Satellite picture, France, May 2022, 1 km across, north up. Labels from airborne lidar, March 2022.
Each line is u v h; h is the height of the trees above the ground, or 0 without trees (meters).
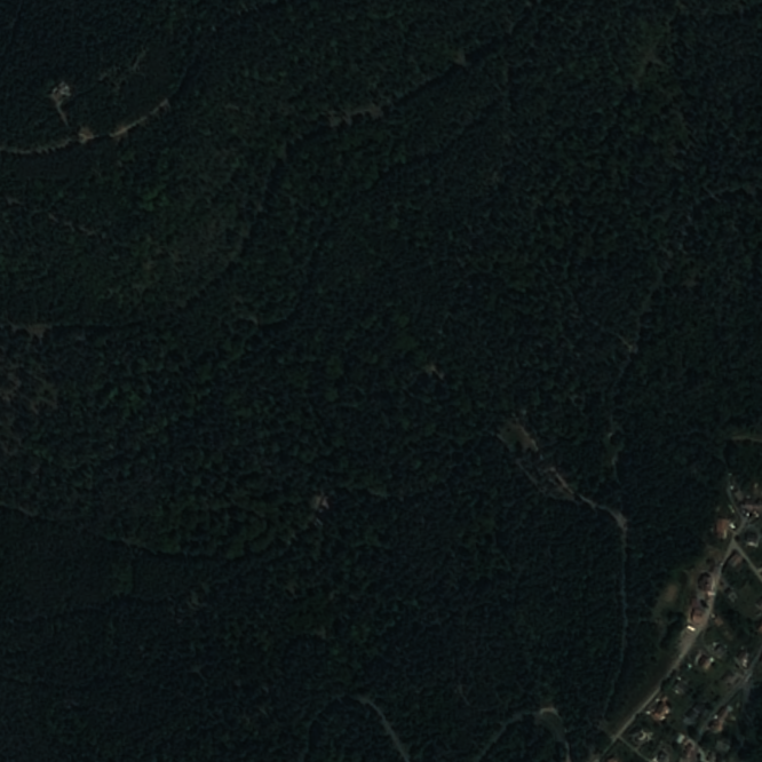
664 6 20
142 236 13
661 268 22
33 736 22
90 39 16
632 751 0
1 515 19
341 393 38
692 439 16
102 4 13
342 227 22
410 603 28
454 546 20
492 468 28
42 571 22
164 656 10
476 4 27
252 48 22
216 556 25
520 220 28
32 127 8
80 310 17
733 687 0
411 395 31
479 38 27
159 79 11
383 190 23
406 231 21
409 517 24
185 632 21
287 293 18
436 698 13
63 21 10
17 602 19
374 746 13
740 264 27
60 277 19
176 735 24
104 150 17
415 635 29
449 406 28
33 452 11
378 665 10
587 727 14
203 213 12
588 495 20
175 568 31
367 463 32
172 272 16
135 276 19
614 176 21
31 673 26
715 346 11
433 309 23
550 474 28
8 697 20
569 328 32
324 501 0
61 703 21
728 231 7
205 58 18
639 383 9
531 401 25
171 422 32
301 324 29
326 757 23
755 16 24
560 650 21
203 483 35
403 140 18
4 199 13
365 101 15
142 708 24
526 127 30
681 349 10
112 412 29
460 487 32
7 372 9
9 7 20
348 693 20
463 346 23
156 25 10
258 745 27
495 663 19
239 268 14
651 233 19
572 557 14
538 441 24
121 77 9
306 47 13
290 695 30
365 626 14
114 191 10
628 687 13
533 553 16
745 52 24
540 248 23
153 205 21
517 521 29
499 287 32
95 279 7
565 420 15
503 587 29
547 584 11
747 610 0
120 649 27
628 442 25
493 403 25
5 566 22
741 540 8
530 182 26
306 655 24
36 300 9
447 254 32
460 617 28
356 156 18
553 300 24
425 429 34
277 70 15
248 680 17
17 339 23
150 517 11
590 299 33
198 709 28
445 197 20
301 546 22
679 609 0
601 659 17
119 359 32
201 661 29
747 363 10
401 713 9
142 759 19
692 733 15
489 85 20
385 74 17
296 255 14
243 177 19
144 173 18
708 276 8
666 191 20
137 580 23
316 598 12
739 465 20
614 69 24
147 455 28
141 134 11
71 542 26
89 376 30
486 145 27
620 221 28
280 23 23
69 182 12
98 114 13
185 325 20
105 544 26
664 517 21
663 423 10
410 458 29
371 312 30
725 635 0
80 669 28
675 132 12
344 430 33
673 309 12
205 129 20
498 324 29
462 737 9
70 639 26
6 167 13
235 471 35
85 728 25
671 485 19
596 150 21
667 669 0
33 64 17
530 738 25
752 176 23
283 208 20
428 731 8
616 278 33
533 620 10
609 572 14
